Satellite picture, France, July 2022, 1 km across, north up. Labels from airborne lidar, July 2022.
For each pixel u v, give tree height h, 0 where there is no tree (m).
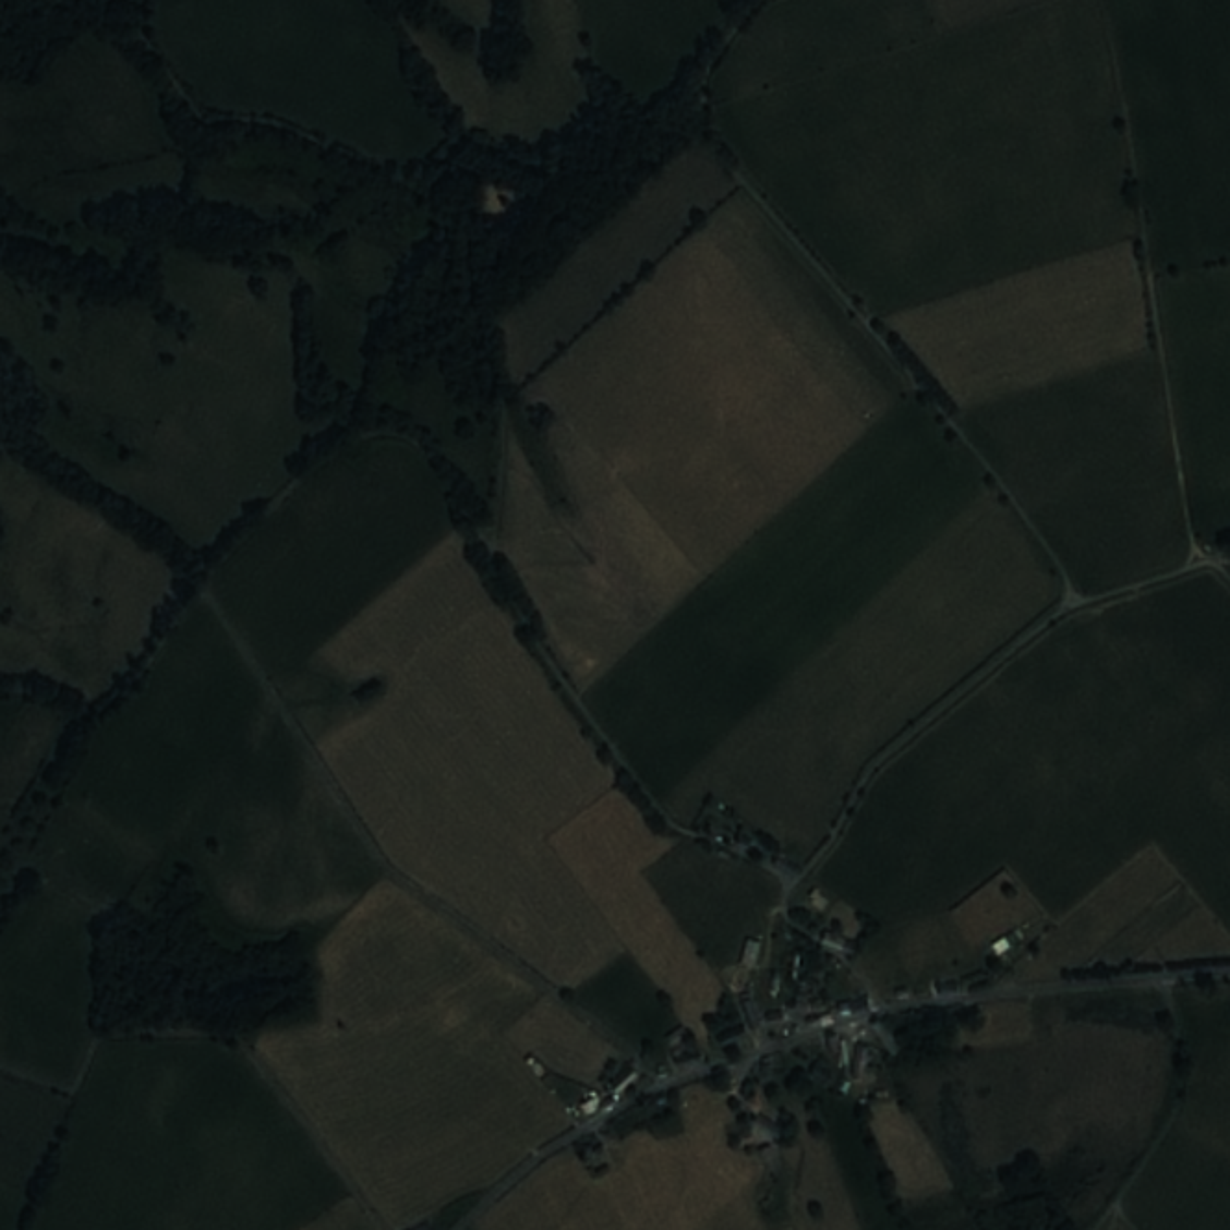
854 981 0
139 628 0
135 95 0
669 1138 0
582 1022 0
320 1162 0
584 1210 0
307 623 0
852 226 0
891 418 0
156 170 0
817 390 0
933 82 0
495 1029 0
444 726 0
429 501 0
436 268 20
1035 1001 0
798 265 0
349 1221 0
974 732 0
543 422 13
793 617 0
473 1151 0
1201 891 0
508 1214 0
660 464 0
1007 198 0
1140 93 0
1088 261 0
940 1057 17
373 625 0
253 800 0
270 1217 0
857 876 0
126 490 0
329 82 0
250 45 0
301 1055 0
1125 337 0
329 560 0
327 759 0
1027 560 0
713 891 0
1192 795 0
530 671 0
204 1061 0
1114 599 0
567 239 22
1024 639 0
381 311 6
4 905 12
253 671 0
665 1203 0
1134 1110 0
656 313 0
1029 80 0
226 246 19
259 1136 0
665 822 12
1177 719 0
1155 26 0
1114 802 0
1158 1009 0
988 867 0
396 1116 0
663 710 0
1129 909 0
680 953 0
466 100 0
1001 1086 0
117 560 0
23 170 0
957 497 0
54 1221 0
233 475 0
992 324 0
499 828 0
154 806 0
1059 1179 0
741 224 0
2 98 0
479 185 21
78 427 0
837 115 0
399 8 17
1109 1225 0
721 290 0
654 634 0
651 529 0
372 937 0
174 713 0
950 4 0
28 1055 0
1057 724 0
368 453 0
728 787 0
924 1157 0
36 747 0
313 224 10
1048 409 0
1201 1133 0
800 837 0
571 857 0
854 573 0
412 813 0
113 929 23
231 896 0
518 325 0
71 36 16
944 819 0
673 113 21
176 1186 0
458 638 0
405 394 0
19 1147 0
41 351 0
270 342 0
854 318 9
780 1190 0
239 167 0
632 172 22
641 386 0
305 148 14
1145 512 0
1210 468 0
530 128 0
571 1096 0
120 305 14
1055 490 0
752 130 0
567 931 0
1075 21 0
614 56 0
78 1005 0
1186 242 0
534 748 0
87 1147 0
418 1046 0
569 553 0
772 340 0
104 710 6
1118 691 0
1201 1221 0
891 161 0
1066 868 0
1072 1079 0
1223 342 0
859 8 0
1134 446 0
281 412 0
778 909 0
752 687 0
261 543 0
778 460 0
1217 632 0
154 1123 0
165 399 0
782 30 0
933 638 0
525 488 0
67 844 0
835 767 0
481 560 16
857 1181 0
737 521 0
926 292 0
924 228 0
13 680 11
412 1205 0
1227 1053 0
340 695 0
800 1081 16
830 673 0
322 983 0
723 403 0
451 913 0
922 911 0
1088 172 0
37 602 0
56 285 14
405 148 0
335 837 0
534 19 0
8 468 0
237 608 0
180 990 16
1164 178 0
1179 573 0
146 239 19
